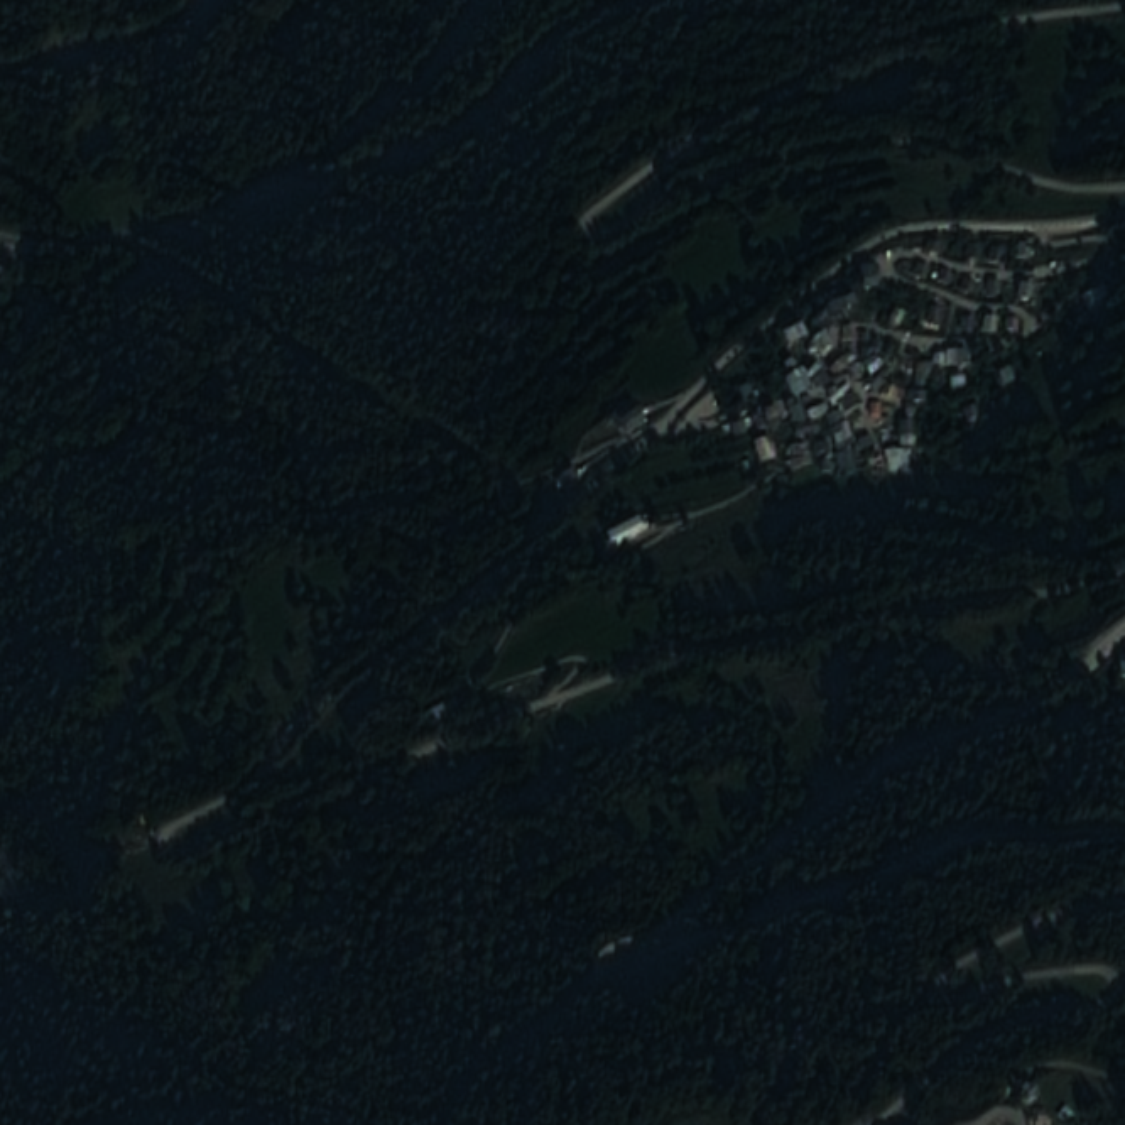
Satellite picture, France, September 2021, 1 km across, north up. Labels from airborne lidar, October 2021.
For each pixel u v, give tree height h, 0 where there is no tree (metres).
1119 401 19
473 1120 23
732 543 0
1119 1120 19
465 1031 22
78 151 0
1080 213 0
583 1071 26
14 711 11
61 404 26
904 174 0
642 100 21
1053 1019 21
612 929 12
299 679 0
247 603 0
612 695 0
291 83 25
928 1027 25
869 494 0
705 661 14
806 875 23
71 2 23
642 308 18
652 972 11
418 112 21
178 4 19
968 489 0
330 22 24
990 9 18
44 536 17
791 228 0
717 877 0
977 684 21
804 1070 32
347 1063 26
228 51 24
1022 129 23
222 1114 31
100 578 24
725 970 18
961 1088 25
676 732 21
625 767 19
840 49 16
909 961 26
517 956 27
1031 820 12
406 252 32
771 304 15
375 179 19
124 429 13
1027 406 0
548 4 23
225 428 21
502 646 0
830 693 0
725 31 26
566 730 0
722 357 0
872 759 10
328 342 22
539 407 19
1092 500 20
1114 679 13
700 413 0
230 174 22
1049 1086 0
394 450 22
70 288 19
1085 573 13
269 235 20
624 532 0
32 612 22
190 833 0
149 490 28
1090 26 0
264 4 33
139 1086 28
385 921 26
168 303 25
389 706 24
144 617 12
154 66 22
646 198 0
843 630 18
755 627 16
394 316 30
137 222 0
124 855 17
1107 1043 6
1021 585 16
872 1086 27
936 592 18
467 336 27
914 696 29
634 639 0
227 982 22
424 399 24
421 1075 23
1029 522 16
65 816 12
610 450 0
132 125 24
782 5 23
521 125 16
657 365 0
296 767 0
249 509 25
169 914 0
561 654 0
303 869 14
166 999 19
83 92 16
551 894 13
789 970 25
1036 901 23
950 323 0
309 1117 18
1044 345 0
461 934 29
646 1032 24
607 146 17
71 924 15
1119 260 9
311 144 18
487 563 16
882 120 19
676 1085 29
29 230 11
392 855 24
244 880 0
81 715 22
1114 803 28
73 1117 27
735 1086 29
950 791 8
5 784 7
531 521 0
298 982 23
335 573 0
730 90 23
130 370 23
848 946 33
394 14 26
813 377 0
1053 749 16
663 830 14
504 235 21
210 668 17
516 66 0
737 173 17
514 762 16
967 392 9
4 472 25
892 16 22
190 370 27
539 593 19
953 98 11
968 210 11
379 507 18
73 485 26
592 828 11
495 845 24
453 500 21
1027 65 16
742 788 0
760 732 18
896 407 0
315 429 24
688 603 0
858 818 27
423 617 10
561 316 19
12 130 27
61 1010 35
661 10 21
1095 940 24
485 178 20
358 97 29
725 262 0
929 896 27
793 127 20
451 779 0
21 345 15
